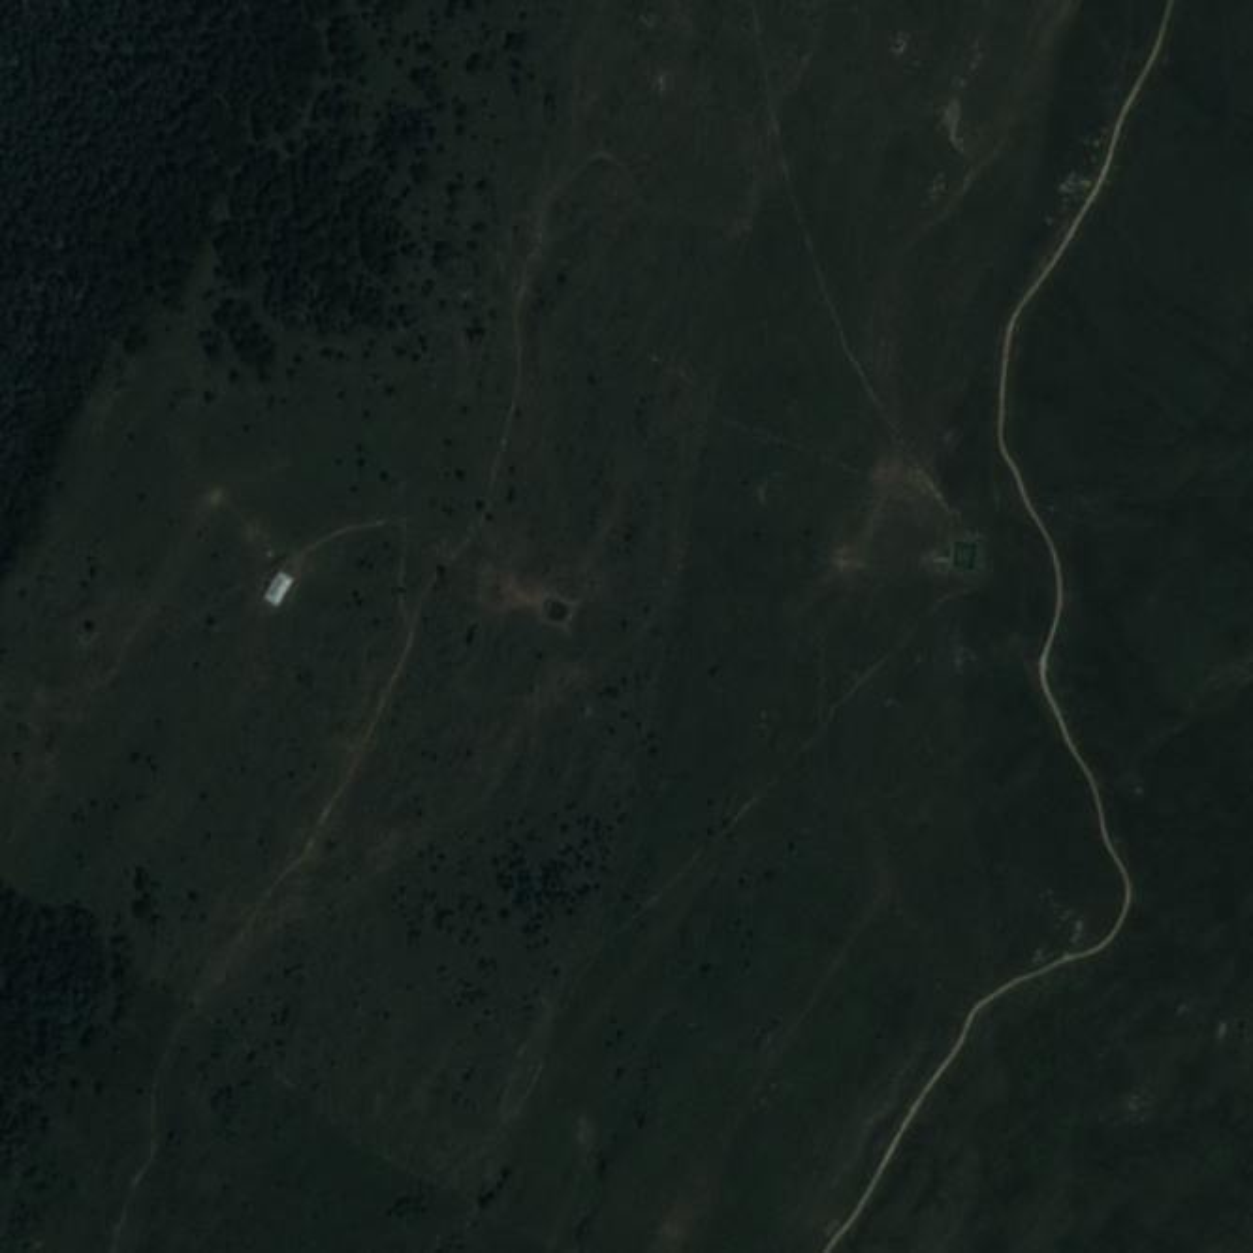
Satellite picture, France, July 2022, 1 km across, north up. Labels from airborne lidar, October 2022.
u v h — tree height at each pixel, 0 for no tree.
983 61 0
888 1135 0
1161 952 0
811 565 0
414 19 0
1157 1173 0
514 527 0
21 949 13
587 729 0
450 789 0
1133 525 0
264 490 0
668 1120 0
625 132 0
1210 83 0
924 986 0
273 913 0
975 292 0
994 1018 0
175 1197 0
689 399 0
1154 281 0
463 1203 0
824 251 0
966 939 0
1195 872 0
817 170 0
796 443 0
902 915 0
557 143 0
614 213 0
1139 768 0
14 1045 9
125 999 7
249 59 18
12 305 22
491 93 0
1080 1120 0
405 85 0
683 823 0
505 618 0
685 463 0
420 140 10
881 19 0
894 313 0
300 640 0
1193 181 0
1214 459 0
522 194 0
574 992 0
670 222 0
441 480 0
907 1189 0
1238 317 0
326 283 10
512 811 0
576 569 0
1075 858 0
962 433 0
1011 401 0
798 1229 0
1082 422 0
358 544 0
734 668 0
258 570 0
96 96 25
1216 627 0
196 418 0
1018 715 0
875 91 0
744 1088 0
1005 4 0
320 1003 0
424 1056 0
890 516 0
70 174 20
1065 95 0
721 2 0
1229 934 0
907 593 0
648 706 0
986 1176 0
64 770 0
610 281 0
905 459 0
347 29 14
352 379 0
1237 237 0
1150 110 0
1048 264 0
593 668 0
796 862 0
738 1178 0
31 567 0
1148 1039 0
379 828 0
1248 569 0
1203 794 0
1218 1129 0
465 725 0
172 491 0
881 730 0
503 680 0
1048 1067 0
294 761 0
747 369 0
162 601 0
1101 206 0
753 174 0
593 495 0
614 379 0
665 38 0
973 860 0
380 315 10
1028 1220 0
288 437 0
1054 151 0
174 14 23
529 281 0
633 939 0
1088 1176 0
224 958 0
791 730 0
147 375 0
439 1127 0
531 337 0
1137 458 0
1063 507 0
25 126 17
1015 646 0
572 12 0
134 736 0
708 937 0
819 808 0
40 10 23
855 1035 0
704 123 0
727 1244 0
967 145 0
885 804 0
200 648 0
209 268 0
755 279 0
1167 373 0
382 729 0
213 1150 0
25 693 0
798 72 0
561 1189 0
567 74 0
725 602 0
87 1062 0
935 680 0
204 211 14
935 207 0
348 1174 0
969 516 0
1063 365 0
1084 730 0
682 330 0
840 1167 0
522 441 0
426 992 0
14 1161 9
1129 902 0
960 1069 0
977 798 0
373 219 8
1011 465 0
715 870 0
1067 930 0
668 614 0
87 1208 0
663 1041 0
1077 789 0
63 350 19
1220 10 0
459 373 0
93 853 0
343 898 0
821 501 0
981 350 0
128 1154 0
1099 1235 0
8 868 0
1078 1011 0
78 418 7
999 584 0
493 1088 0
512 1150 0
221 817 0
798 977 0
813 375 0
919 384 0
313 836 0
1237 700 0
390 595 0
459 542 0
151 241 16
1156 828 0
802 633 0
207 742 0
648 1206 0
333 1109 0
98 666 0
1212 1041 0
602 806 0
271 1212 0
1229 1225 0
